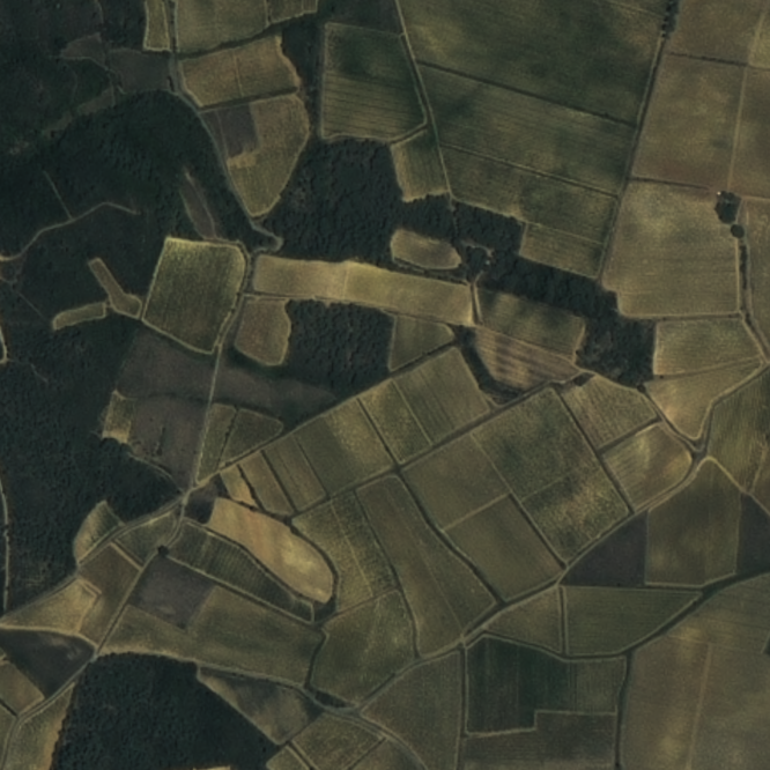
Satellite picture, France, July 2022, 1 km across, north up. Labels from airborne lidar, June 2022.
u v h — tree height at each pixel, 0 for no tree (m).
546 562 0
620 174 0
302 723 0
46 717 0
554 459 0
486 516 0
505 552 0
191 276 0
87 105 0
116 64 0
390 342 0
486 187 0
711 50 0
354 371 9
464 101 0
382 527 0
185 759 8
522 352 0
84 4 6
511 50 0
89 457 6
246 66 0
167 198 9
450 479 0
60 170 6
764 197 0
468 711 0
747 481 0
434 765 0
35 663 0
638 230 0
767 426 0
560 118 0
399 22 0
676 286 0
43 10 8
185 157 11
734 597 0
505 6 0
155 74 0
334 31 0
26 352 8
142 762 8
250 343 0
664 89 0
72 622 0
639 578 0
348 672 0
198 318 0
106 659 7
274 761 0
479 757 0
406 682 0
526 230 0
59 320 0
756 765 0
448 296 0
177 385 0
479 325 0
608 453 0
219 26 0
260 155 0
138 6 10
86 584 0
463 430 0
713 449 0
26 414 7
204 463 0
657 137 0
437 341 0
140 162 10
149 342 0
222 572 0
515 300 0
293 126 0
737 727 0
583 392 0
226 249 0
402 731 0
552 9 0
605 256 0
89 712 6
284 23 7
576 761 0
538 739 0
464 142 0
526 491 0
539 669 0
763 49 0
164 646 0
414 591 0
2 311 7
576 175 0
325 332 8
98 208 0
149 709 7
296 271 0
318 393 0
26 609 0
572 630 0
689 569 0
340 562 0
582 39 0
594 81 0
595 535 0
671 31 13
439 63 0
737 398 0
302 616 0
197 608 0
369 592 0
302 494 0
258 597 0
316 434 0
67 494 7
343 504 0
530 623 0
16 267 0
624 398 0
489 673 0
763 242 0
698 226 0
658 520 0
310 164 10
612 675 0
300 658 0
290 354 0
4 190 7
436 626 0
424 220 9
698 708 0
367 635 0
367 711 0
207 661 0
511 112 0
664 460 0
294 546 0
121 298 0
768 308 0
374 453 0
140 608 0
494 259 7
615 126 0
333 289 0
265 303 0
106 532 0
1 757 0
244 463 0
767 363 0
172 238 0
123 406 0
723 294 0
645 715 0
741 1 0
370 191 9
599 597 0
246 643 0
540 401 0
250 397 0
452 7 0
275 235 6
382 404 0
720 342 0
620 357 6
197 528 0
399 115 0
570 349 0
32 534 11
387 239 11
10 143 7
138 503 7
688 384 0
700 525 0
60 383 7
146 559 0
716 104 0
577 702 0
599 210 0
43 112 5
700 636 0
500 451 0
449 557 0
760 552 0
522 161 0
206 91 0
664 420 0
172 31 0
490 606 0
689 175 0
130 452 9
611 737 0
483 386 6
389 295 0
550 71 0
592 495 0
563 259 0
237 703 0
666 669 0
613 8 0
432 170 0
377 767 0
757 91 0
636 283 0
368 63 0
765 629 0
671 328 0
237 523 0
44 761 0
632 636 0
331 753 0
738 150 0
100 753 9
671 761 0
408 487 0
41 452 7
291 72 0
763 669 0
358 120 0
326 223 11
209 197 8
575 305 8
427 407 0
